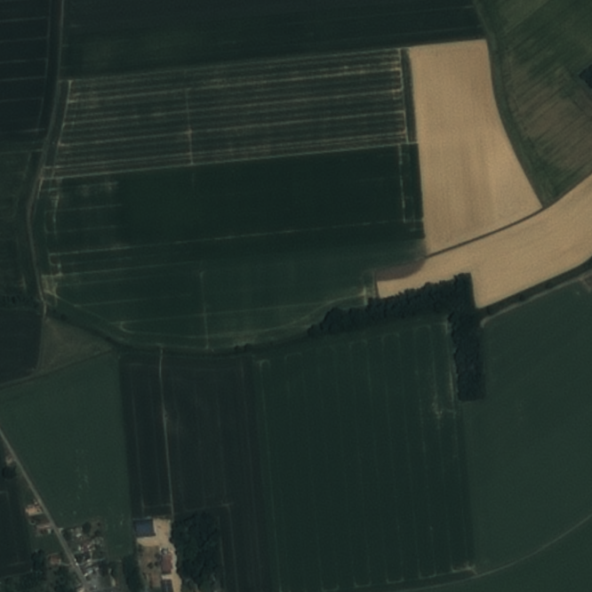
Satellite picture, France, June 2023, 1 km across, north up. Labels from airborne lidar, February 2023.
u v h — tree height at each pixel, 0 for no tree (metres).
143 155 0
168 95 0
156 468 0
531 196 0
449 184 0
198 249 0
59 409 0
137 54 0
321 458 0
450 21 0
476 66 0
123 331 0
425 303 30
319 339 0
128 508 0
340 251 0
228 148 0
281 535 0
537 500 0
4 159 0
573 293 0
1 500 0
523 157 0
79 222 0
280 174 0
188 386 0
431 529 0
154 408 0
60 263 0
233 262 0
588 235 0
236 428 0
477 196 0
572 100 0
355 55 0
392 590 0
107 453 0
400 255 0
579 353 0
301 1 0
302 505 0
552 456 0
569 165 0
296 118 0
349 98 0
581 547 0
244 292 0
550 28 0
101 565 8
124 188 0
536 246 0
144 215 0
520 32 0
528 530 0
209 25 0
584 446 0
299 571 0
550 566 0
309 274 0
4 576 0
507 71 0
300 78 0
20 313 0
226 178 0
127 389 0
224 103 0
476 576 0
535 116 0
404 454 0
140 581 8
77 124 0
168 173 0
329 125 0
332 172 0
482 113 0
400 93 0
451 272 0
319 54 0
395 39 0
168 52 0
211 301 0
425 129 0
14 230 0
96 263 0
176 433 0
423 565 0
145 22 0
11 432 0
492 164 0
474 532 0
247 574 0
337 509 0
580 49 0
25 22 0
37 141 0
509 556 0
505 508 0
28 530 0
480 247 0
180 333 0
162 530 0
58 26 0
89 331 0
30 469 0
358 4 0
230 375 0
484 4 0
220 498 0
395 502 0
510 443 0
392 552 0
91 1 0
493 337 0
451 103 0
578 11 0
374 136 0
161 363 0
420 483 0
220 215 0
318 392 0
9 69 0
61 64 0
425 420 0
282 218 0
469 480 0
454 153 0
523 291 0
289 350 0
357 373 0
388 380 0
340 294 0
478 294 0
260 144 0
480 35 0
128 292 0
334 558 0
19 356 0
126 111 0
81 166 0
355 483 0
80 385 0
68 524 0
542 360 0
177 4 0
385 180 0
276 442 0
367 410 0
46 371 0
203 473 0
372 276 0
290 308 0
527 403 0
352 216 0
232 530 0
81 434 0
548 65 0
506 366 0
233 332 0
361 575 0
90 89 0
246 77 0
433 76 0
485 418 0
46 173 0
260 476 0
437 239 0
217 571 15
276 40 0
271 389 0
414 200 0
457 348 10
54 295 0
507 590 0
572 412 0
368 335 0
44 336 0
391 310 28
